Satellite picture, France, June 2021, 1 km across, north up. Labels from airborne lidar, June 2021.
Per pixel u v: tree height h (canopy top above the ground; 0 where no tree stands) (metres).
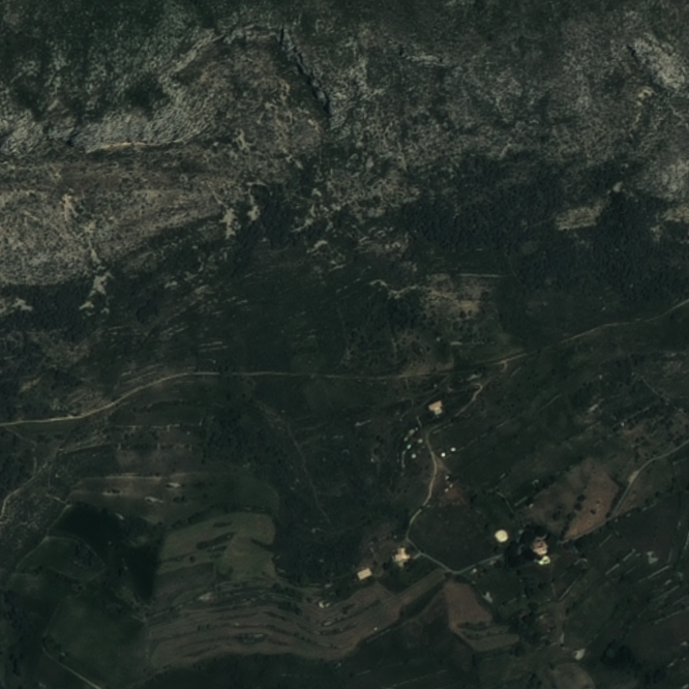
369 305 7
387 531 0
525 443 0
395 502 0
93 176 0
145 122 0
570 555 0
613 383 6
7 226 0
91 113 0
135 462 0
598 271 5
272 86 0
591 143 0
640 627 0
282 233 9
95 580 0
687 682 0
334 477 0
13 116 0
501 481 6
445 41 0
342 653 0
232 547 0
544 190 8
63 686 0
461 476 0
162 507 0
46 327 8
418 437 6
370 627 0
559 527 0
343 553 7
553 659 0
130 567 0
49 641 6
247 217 6
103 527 0
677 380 0
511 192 5
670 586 0
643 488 0
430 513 0
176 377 0
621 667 8
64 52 0
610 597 0
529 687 6
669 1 0
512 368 0
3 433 8
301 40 0
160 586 0
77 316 8
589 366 0
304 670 0
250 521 0
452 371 0
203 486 6
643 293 6
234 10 0
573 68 0
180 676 0
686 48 0
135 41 0
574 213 0
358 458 0
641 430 0
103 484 0
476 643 0
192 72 0
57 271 0
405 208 8
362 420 0
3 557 0
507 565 7
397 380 0
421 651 0
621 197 12
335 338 0
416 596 0
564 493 0
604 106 0
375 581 10
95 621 0
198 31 0
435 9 0
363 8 0
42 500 0
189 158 0
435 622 0
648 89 0
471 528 0
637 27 0
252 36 14
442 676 0
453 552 0
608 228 9
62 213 0
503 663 0
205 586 0
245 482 0
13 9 0
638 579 0
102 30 0
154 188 0
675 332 0
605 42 0
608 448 0
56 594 0
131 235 0
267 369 0
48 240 0
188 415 0
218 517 0
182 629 0
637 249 9
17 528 0
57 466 0
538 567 0
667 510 0
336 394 0
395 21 0
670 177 0
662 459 0
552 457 0
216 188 0
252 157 0
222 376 6
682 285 5
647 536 0
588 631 0
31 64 0
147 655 0
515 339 0
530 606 6
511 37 0
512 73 0
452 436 0
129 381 0
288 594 6
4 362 6
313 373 0
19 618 11
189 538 0
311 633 0
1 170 0
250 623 0
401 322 6
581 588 0
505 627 0
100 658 0
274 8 0
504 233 7
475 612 0
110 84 0
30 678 0
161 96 0
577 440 0
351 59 0
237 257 8
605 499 0
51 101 0
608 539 0
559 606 0
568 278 6
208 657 0
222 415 0
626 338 0
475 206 8
